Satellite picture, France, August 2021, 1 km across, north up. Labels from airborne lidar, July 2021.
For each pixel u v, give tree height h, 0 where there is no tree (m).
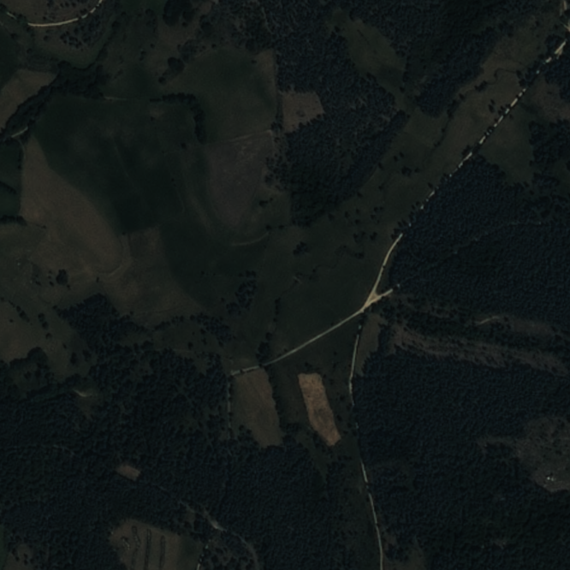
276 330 0
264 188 0
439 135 0
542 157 13
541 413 15
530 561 14
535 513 11
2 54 0
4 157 0
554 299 17
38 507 15
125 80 0
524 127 0
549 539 12
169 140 0
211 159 0
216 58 0
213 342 0
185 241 0
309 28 16
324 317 0
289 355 0
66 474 9
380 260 0
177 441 18
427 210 14
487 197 17
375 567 0
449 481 12
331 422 0
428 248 18
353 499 0
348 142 7
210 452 15
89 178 0
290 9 17
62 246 0
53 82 6
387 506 10
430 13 16
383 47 0
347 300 0
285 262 0
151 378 11
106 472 14
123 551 0
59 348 0
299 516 16
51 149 0
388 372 15
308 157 15
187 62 10
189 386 15
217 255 0
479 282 14
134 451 13
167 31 0
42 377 15
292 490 14
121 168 0
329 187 23
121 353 15
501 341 10
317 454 0
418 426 16
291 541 15
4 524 9
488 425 13
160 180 0
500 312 17
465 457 16
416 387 21
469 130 0
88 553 18
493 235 12
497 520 16
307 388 0
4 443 17
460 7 7
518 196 16
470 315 11
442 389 22
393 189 0
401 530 15
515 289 17
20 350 0
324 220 0
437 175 0
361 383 18
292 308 0
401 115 16
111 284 0
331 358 0
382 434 20
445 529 12
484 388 18
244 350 0
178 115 0
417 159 0
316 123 14
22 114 8
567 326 13
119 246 0
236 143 0
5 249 0
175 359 13
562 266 10
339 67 23
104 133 0
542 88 0
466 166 11
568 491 7
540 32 0
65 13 0
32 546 9
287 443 13
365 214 0
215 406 10
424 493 14
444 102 22
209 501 6
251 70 0
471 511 17
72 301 0
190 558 0
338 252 0
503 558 16
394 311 10
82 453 16
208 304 0
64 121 0
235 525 17
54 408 12
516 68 0
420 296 11
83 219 0
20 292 0
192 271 0
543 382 17
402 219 0
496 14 15
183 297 0
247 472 17
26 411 15
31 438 13
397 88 0
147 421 19
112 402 7
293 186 13
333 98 16
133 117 0
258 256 0
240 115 0
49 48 0
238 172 0
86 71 9
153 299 0
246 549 18
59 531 10
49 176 0
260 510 18
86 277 0
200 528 17
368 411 15
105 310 16
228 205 0
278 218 0
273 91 0
